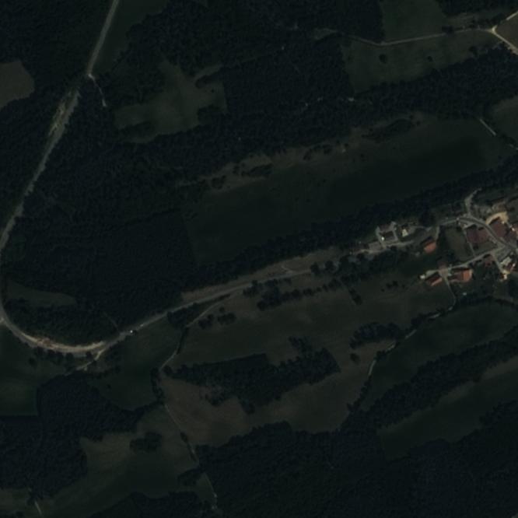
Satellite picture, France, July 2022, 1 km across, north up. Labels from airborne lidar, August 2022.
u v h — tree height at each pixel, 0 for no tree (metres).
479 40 0
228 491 11
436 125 0
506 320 0
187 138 30
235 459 16
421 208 13
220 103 0
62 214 33
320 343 0
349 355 0
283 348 0
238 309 0
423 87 25
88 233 10
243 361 9
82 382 23
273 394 12
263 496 9
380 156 0
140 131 19
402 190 0
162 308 6
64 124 0
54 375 0
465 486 30
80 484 0
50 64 10
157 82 16
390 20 0
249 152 9
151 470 0
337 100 22
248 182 0
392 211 16
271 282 15
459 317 0
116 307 14
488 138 0
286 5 13
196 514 16
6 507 0
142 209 7
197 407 0
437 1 7
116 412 22
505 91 17
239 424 0
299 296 19
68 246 13
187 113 0
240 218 0
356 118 15
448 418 0
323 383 0
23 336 0
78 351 0
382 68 0
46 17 9
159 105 0
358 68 0
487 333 0
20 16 21
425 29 0
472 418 0
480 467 8
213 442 0
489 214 7
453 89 26
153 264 13
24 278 10
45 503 0
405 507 8
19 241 29
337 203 0
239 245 0
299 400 0
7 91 0
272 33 12
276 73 12
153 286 12
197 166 26
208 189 7
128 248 15
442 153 0
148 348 0
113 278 17
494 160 0
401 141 0
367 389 12
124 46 0
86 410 28
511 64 24
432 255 0
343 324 0
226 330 0
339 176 0
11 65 0
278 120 17
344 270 20
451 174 0
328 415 0
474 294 7
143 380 0
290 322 0
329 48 14
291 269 0
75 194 30
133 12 0
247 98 13
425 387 19
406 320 0
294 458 7
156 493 0
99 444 0
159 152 32
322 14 18
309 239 15
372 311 0
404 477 8
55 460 27
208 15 10
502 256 0
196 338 0
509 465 14
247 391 12
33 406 0
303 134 29
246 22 11
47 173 19
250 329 0
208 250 0
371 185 0
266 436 11
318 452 6
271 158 7
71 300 0
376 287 0
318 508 6
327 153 11
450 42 0
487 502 13
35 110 19
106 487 0
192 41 7
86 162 31
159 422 0
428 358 0
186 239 17
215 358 0
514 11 6
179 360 0
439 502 25
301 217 0
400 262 18
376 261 14
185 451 0
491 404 0
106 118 24
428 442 0
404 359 0
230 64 17
